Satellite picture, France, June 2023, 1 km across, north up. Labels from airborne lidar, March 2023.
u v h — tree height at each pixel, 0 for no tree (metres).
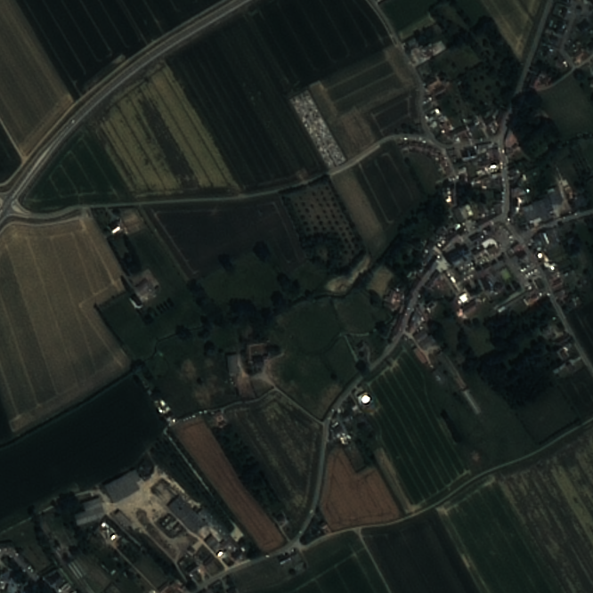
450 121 0
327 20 0
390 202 0
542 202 0
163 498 0
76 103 0
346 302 0
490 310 0
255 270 0
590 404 0
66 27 0
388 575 0
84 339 0
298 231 10
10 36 0
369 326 0
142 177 0
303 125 0
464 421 0
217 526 0
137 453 0
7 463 0
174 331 0
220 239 0
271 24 0
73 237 0
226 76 0
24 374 0
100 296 0
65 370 0
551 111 0
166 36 0
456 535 0
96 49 0
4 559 10
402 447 0
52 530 0
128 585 0
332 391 0
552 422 0
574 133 0
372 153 0
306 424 0
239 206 0
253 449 0
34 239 0
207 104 0
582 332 0
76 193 0
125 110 0
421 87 0
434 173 0
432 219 16
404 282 11
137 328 0
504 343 14
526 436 0
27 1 0
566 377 0
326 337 0
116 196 0
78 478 0
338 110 0
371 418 0
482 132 0
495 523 0
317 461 0
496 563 0
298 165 0
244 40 0
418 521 0
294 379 0
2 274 0
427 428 0
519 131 18
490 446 0
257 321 27
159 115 0
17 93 0
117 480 0
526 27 0
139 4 0
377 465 0
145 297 0
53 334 0
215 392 0
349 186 0
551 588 0
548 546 0
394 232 0
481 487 0
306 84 0
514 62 12
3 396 0
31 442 0
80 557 0
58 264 0
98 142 0
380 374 0
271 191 0
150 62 0
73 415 0
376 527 0
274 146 0
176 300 0
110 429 0
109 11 0
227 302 0
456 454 0
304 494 0
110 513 0
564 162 0
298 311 0
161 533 0
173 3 0
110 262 0
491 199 0
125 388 0
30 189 0
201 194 0
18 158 0
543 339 9
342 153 0
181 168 0
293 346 0
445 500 0
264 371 0
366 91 0
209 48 0
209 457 0
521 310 0
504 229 0
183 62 0
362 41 0
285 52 0
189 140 0
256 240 0
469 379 0
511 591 0
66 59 0
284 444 0
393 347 0
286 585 0
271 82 0
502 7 0
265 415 0
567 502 0
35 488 0
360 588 0
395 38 0
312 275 0
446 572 0
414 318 0
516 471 0
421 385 0
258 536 0
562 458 0
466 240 0
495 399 0
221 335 0
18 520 0
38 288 0
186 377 0
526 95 16
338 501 0
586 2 0
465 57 0
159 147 0
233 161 0
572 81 0
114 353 0
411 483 0
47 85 0
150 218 0
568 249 13
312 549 0
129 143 0
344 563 0
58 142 0
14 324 0
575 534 0
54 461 0
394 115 0
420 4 0
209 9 0
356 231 8
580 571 0
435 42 0
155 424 0
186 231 0
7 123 0
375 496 0
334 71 0
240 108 0
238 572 0
